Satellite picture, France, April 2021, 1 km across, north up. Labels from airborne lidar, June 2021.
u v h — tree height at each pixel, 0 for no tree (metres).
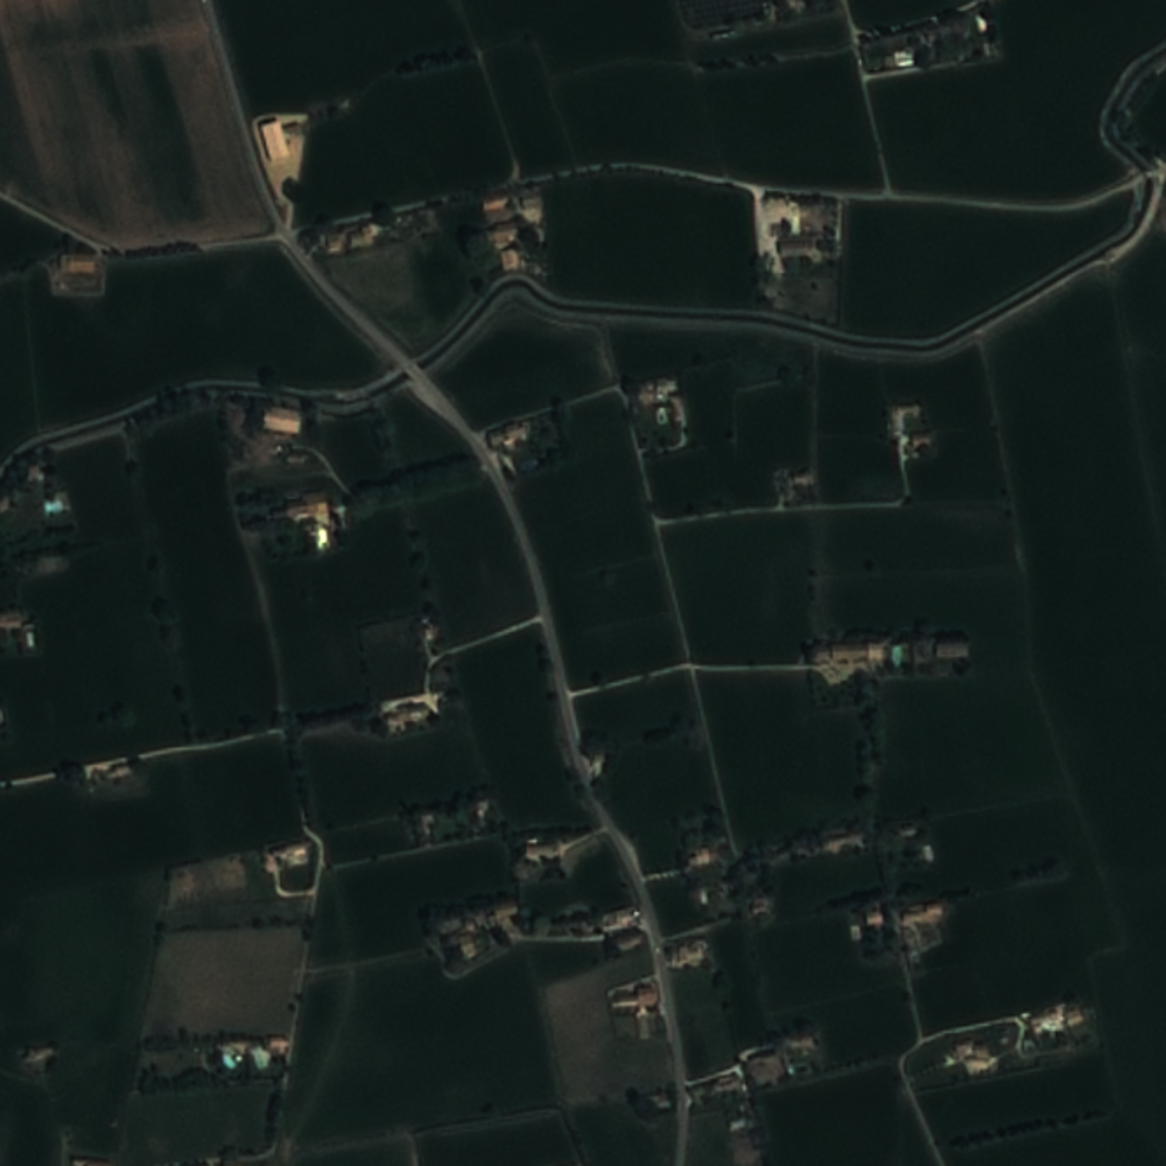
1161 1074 0
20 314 0
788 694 0
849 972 0
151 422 13
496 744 0
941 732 0
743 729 0
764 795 0
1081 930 0
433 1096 0
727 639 0
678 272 0
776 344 0
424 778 0
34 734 0
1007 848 0
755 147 0
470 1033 0
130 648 0
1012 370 0
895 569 0
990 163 0
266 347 0
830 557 0
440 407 0
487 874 0
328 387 0
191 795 0
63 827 0
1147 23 0
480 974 0
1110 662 0
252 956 0
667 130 0
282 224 0
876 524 0
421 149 0
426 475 16
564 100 0
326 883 0
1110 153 0
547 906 0
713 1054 0
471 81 0
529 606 0
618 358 0
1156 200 0
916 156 0
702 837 11
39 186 0
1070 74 0
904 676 14
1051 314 0
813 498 8
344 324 0
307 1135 0
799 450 0
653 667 0
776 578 0
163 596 0
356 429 0
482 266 21
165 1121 0
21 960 0
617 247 0
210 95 0
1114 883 0
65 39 0
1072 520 0
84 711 0
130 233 0
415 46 0
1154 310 0
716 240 0
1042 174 0
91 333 0
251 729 16
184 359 0
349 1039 0
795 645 0
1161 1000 0
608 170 5
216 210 0
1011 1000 0
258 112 0
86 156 0
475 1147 0
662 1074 0
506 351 0
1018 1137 12
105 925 0
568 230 0
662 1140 0
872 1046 0
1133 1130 0
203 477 0
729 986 12
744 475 0
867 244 0
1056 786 0
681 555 0
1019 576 0
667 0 0
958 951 0
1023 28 0
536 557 0
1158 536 0
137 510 0
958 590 0
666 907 0
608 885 0
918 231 0
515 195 12
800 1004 0
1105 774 0
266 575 0
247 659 0
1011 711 0
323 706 0
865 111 0
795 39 0
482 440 0
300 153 0
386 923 0
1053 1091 0
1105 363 0
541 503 0
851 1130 0
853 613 0
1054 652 0
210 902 0
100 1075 0
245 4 0
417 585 0
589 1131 0
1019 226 0
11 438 0
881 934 12
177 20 0
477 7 0
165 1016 0
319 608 0
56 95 0
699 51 0
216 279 0
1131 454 0
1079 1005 13
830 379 0
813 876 0
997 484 0
